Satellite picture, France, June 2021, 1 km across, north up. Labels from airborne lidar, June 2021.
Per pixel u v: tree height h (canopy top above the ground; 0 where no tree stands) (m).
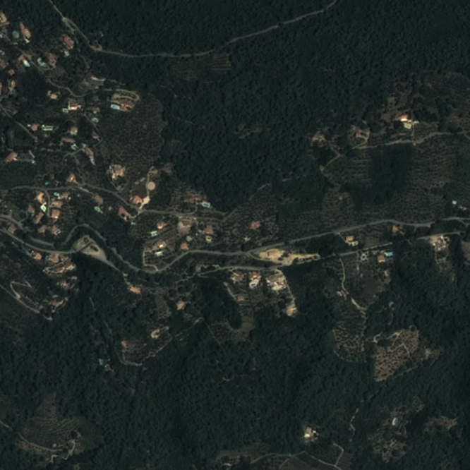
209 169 9
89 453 13
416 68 19
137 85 11
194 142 16
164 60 6
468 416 20
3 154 12
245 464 21
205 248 8
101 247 7
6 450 16
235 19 8
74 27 10
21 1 14
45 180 8
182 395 9
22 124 6
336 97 11
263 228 10
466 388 17
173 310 10
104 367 6
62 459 8
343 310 6
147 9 7
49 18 19
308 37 21
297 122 7
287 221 7
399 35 17
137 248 5
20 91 13
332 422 11
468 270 22
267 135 16
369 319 9
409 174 6
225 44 21
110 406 24
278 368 18
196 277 9
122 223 12
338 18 7
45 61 18
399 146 10
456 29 7
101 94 9
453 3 7
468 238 19
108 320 22
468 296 25
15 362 25
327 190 10
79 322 16
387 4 8
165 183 9
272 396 11
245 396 9
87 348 22
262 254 0
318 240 8
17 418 10
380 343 14
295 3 7
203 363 20
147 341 6
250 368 19
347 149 11
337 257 9
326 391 17
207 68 6
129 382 15
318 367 24
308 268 6
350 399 17
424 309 19
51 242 13
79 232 18
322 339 22
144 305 9
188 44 14
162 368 20
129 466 10
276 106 21
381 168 10
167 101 13
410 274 18
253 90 23
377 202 13
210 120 18
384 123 9
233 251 6
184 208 5
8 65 8
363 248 11
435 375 15
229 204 18
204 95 11
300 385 20
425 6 18
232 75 20
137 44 16
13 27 7
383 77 19
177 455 12
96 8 8
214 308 12
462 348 22
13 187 6
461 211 7
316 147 9
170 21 7
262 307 11
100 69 15
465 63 22
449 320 16
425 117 11
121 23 14
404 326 11
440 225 20
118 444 15
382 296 10
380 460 9
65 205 6
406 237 8
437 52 19
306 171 18
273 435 16
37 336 6
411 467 19
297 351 23
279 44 14
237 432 14
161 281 20
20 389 27
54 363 6
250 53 17
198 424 17
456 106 20
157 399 14
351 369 14
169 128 8
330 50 15
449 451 15
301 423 20
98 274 19
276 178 20
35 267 8
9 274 6
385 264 6
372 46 7
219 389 7
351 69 21
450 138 6
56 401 9
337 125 7
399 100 7
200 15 7
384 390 17
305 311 10
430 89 6
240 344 11
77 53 6
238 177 18
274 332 14
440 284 16
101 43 14
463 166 7
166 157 11
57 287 9
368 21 10
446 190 13
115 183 9
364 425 6
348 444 21
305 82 11
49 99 6
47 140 7
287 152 18
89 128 6
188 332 6
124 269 20
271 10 8
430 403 23
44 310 12
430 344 8
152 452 11
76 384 26
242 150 15
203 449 21
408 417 6
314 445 8
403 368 6
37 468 15
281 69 6
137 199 0
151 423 17
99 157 6
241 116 6
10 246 8
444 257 12
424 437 12
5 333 11
